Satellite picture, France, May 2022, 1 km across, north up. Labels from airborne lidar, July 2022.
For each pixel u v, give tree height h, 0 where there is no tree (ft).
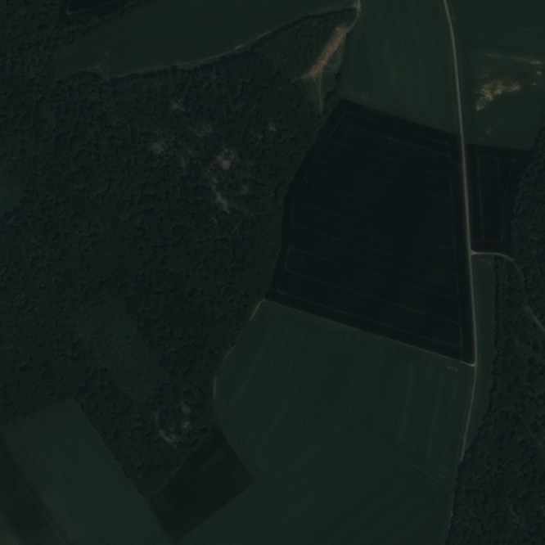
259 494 0
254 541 0
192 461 0
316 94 0
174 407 85
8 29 83
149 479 79
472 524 91
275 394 0
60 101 85
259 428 0
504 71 0
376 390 0
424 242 0
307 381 0
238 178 105
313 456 0
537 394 67
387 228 0
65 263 83
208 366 96
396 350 0
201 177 87
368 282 0
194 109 99
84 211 102
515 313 77
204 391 91
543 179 90
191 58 0
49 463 0
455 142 0
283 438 0
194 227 72
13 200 0
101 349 58
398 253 0
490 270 0
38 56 76
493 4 0
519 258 74
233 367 0
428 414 0
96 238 88
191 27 0
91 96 96
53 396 60
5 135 66
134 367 64
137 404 70
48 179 86
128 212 89
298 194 0
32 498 0
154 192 54
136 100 58
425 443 0
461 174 0
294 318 0
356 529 0
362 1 0
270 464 0
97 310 52
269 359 0
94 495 0
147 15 0
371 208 0
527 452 99
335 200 0
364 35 0
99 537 0
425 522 0
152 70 0
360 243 0
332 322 0
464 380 0
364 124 0
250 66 84
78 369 84
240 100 86
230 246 89
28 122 84
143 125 99
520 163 0
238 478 0
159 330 66
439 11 0
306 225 0
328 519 0
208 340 98
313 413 0
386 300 0
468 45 0
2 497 0
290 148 84
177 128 96
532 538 83
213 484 0
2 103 95
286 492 0
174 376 95
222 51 0
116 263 85
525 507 77
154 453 76
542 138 61
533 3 0
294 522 0
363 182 0
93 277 87
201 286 74
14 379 72
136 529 0
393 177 0
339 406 0
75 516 0
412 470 0
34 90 95
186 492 0
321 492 0
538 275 82
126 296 67
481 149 0
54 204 79
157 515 0
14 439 0
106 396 83
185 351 91
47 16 76
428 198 0
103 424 69
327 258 0
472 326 0
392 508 0
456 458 0
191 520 0
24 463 0
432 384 0
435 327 0
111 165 89
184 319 93
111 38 0
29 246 92
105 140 100
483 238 0
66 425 0
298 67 57
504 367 76
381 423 0
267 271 66
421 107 0
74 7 0
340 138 0
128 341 77
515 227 71
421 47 0
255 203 90
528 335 86
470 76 0
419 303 0
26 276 97
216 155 99
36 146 73
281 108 85
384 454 0
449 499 0
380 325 0
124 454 64
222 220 87
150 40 0
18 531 0
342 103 0
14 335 75
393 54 0
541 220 88
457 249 0
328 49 0
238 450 0
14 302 77
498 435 90
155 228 83
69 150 87
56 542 0
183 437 98
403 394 0
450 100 0
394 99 0
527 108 0
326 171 0
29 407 84
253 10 0
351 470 0
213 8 0
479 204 0
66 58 0
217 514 0
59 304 77
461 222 0
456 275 0
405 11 0
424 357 0
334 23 38
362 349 0
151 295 93
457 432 0
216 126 104
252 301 66
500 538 86
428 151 0
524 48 0
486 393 0
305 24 56
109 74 0
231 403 0
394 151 0
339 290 0
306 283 0
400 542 0
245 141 95
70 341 78
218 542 0
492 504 85
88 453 0
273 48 76
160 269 83
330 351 0
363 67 0
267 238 73
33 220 89
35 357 76
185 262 83
